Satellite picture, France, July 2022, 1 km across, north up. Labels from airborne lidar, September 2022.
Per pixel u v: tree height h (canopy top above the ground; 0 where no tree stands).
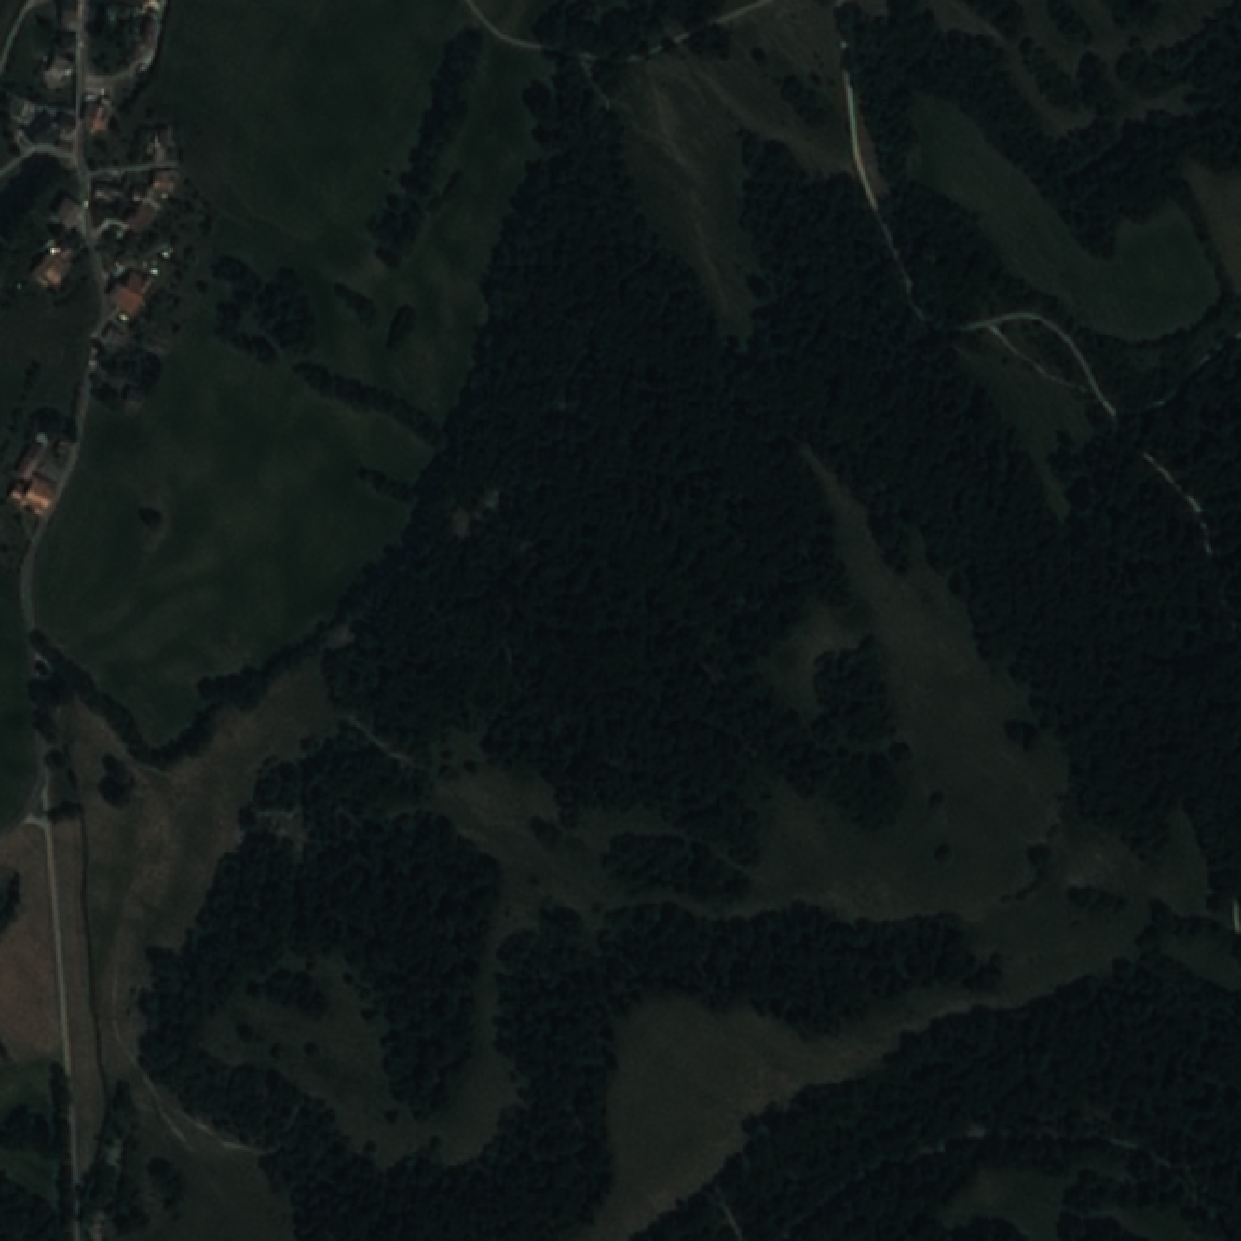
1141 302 0
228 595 0
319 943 7
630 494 25
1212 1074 17
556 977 16
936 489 22
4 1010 0
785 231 17
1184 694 28
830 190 15
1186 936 7
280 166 0
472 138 0
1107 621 22
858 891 0
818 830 0
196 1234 0
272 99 0
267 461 0
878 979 22
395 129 0
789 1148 18
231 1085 7
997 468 22
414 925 22
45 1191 0
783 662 0
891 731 10
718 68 0
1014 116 9
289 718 0
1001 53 13
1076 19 12
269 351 19
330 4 0
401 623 18
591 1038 23
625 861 12
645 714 20
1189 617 22
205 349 0
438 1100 13
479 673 15
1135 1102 15
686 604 13
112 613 0
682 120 0
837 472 22
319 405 0
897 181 11
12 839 0
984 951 0
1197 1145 14
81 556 0
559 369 11
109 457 0
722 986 20
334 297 0
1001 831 0
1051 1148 18
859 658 6
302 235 0
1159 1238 0
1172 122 10
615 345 22
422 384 0
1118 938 0
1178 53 9
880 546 13
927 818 0
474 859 18
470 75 19
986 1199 0
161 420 0
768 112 0
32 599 0
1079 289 0
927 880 0
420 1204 25
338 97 0
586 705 18
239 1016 0
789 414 23
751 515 22
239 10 0
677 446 17
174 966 20
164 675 0
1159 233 0
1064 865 0
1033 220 0
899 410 26
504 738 11
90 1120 0
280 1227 0
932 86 12
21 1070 0
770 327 17
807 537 11
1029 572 22
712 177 0
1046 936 0
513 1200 28
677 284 19
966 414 19
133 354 6
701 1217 19
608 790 9
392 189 0
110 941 0
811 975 22
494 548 9
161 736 0
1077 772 16
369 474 8
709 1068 0
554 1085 22
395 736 14
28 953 0
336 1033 0
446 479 20
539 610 13
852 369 29
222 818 0
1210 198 0
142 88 9
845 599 12
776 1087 0
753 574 8
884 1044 0
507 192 0
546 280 23
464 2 0
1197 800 24
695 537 10
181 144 8
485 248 0
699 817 16
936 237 11
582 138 16
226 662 0
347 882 20
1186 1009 9
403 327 5
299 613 0
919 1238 19
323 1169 7
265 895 17
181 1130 0
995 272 13
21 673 0
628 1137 0
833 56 0
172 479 0
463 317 0
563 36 24
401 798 7
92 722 0
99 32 11
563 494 22
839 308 21
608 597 9
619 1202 0
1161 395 15
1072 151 8
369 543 0
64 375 0
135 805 0
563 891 0
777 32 0
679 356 25
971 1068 24
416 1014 16
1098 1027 7
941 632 0
